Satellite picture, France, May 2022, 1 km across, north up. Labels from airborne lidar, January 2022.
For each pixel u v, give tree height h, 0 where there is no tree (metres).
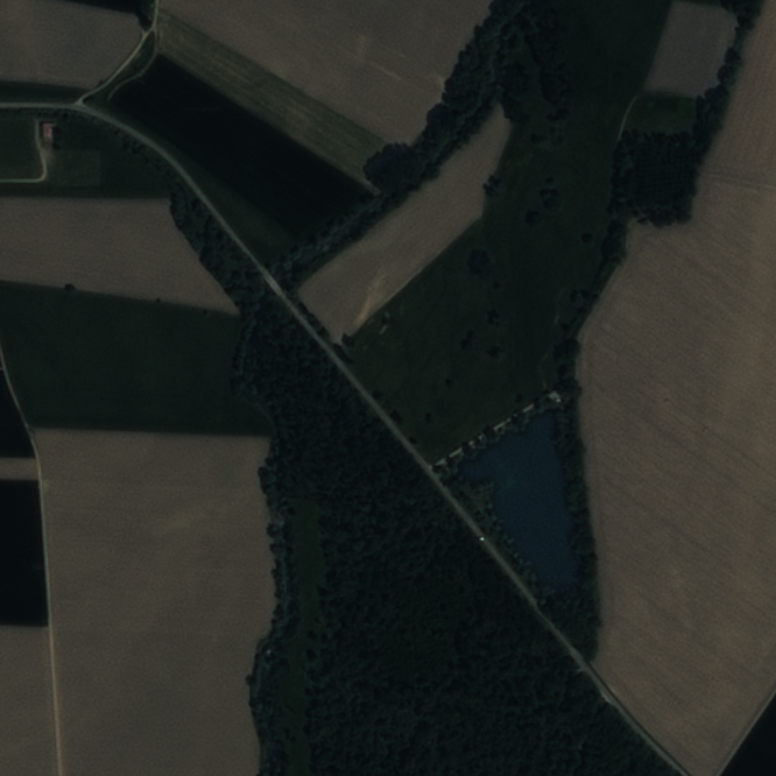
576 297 11
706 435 0
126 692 0
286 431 11
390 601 14
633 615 0
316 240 15
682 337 0
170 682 0
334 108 0
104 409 0
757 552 0
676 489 0
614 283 0
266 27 0
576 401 14
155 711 0
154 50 0
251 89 0
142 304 0
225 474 0
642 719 0
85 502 0
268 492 16
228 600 0
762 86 0
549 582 0
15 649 0
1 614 0
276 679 7
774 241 0
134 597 0
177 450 0
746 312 0
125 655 0
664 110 0
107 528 0
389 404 10
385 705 12
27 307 0
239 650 0
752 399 0
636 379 0
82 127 0
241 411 0
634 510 0
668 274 0
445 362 0
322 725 14
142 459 0
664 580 0
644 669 0
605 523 0
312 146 0
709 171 0
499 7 16
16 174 0
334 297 0
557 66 30
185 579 0
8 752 0
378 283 0
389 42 0
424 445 0
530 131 0
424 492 19
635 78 0
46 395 0
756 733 0
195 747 0
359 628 12
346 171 0
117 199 0
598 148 0
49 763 0
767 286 0
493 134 0
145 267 0
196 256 0
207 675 0
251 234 0
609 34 0
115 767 0
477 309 0
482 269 31
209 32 0
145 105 0
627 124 0
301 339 14
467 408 0
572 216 0
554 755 17
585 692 17
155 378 0
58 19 0
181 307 0
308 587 0
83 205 0
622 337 0
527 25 27
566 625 28
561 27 29
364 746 11
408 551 15
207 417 0
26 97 0
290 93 0
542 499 0
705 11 0
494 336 0
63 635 0
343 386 21
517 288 0
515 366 0
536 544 0
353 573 18
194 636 0
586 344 0
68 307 0
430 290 0
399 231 0
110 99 0
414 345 0
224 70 0
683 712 0
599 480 0
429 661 9
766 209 0
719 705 0
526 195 0
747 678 0
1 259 0
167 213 0
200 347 0
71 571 0
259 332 13
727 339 0
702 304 0
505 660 17
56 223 0
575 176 0
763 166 0
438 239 0
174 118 0
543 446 0
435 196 0
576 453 18
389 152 0
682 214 23
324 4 0
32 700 0
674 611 0
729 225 0
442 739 19
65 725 0
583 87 0
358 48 0
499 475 0
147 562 0
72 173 0
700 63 0
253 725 0
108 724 0
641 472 0
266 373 34
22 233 0
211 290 0
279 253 0
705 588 0
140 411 0
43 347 0
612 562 0
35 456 0
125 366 0
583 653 20
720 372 0
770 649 0
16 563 0
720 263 0
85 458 0
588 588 25
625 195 22
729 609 0
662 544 0
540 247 0
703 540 0
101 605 0
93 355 0
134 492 0
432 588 8
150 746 0
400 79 0
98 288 0
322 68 0
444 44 0
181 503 0
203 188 0
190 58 0
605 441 0
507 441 0
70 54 0
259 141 0
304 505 0
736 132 0
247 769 0
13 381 0
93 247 0
